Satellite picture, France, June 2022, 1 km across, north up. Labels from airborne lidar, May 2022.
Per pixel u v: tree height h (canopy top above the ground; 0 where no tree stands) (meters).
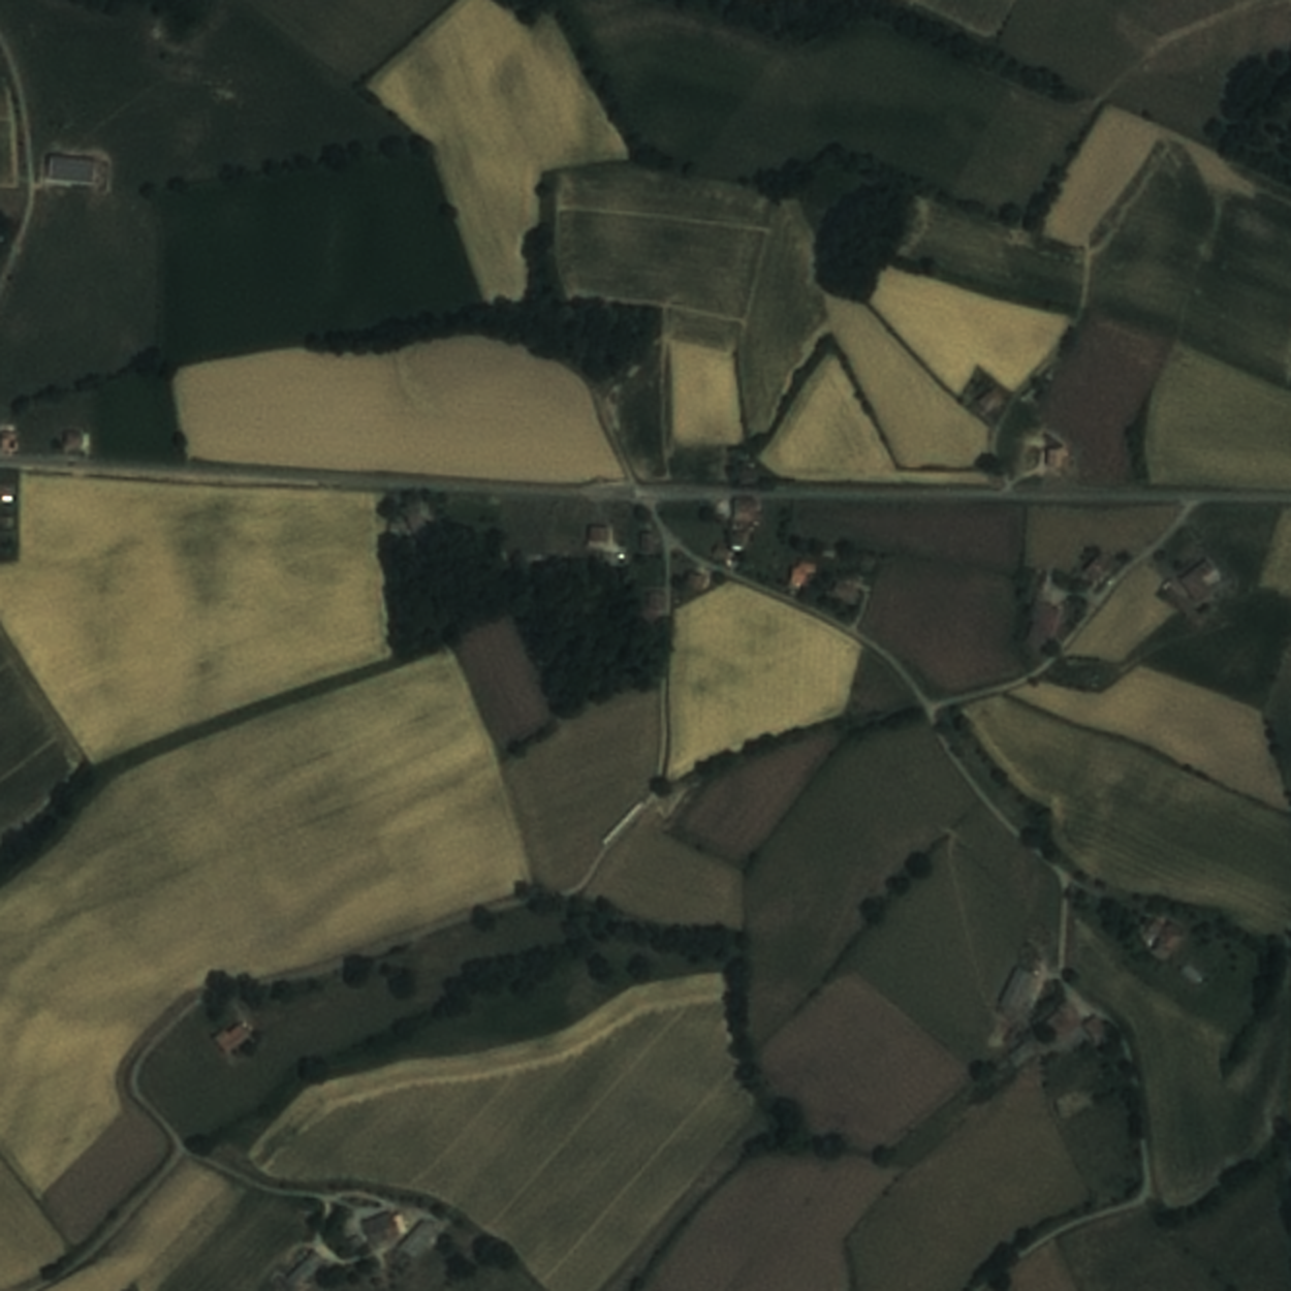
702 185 0
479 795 0
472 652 0
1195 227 0
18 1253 0
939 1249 0
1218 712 0
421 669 0
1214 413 0
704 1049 0
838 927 0
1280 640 0
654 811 0
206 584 0
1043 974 0
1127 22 0
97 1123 0
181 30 0
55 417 0
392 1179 0
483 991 21
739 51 0
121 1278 0
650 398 0
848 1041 0
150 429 0
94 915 0
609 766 0
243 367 0
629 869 0
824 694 0
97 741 0
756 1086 15
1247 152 9
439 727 0
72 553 0
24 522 0
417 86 0
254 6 0
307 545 0
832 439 0
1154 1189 0
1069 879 0
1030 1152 0
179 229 0
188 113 0
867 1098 0
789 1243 0
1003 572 0
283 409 0
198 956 0
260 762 0
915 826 0
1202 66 0
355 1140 0
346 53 0
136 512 0
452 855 0
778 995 0
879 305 0
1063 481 0
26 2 0
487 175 0
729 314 0
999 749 0
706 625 0
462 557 23
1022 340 0
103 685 0
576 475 0
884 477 0
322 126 0
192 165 0
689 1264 0
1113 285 0
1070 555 0
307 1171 0
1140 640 0
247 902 0
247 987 17
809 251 0
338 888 0
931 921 0
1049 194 13
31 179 0
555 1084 0
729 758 7
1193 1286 0
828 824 0
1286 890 0
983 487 0
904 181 9
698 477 0
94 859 0
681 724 0
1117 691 0
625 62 0
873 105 0
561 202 0
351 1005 0
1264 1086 0
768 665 0
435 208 0
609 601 15
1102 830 0
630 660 24
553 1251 0
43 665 0
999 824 0
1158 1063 0
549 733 9
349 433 0
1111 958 0
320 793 0
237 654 0
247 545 0
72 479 0
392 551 18
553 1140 0
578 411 0
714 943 18
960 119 0
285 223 0
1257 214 0
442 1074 0
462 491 0
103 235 0
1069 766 0
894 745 0
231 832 0
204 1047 0
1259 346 0
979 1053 0
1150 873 0
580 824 0
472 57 0
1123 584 0
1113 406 0
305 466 0
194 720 0
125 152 0
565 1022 0
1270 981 14
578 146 0
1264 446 0
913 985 0
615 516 0
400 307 0
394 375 0
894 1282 0
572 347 22
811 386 0
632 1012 0
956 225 0
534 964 18
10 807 0
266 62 0
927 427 0
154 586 0
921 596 0
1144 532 0
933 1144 0
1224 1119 0
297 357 0
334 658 0
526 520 0
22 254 0
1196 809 0
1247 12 0
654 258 0
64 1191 0
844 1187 0
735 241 0
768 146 0
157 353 12
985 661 0
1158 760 0
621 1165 0
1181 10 0
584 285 0
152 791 0
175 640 0
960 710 6
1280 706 0
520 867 0
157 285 0
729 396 0
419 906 0
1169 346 0
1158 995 0
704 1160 0
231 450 0
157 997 0
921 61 0
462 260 0
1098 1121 0
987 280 0
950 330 0
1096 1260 0
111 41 0
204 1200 0
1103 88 0
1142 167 0
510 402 0
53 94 0
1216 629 0
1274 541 0
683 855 0
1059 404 0
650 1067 0
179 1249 0
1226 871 0
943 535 0
